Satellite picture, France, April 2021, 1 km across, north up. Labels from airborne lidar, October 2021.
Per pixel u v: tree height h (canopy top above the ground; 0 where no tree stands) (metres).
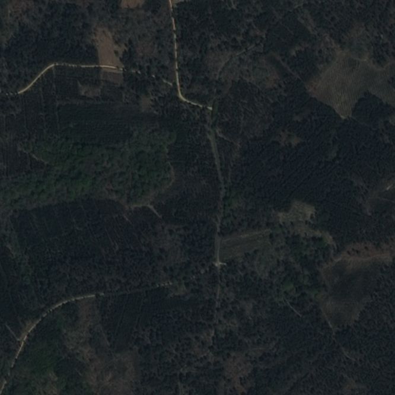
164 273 6
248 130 9
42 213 10
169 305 15
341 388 18
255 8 13
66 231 7
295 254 14
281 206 19
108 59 0
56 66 9
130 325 9
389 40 10
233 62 10
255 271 15
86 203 10
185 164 10
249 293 19
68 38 16
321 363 10
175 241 10
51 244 11
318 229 17
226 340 9
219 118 13
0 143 15
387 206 7
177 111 10
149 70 7
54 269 22
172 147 11
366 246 13
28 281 17
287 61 16
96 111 9
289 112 20
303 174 19
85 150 22
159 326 14
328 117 19
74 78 10
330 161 23
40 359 18
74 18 21
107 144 10
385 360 22
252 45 16
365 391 7
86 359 10
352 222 20
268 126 9
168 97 10
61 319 14
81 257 11
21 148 7
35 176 22
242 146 8
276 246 7
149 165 14
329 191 16
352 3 17
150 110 9
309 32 15
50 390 27
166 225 12
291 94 18
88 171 9
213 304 16
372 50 21
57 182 19
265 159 19
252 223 12
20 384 18
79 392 25
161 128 9
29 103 9
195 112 11
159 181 19
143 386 17
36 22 25
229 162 10
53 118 9
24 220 10
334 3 18
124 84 12
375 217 15
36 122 12
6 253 13
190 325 22
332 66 15
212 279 16
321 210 17
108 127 7
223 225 16
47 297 16
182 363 14
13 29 20
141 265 26
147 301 14
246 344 11
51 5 16
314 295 16
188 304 16
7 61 20
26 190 21
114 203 10
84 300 11
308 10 20
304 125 8
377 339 21
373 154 18
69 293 16
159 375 15
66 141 10
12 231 13
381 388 20
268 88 5
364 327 19
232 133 11
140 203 13
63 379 30
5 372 11
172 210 12
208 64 8
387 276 24
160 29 10
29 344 9
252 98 11
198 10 16
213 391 11
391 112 12
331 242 0
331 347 8
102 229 12
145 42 9
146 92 15
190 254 8
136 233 13
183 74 13
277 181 18
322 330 13
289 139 12
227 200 11
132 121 8
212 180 11
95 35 10
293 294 15
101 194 11
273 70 12
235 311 16
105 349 6
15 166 10
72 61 17
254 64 12
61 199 10
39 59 16
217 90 17
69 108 9
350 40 11
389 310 18
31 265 14
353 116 8
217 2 15
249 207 15
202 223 8
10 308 11
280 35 16
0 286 11
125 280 20
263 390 24
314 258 11
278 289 17
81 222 7
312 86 6
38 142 15
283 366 8
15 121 12
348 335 18
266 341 6
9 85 8
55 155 11
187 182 11
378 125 15
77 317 16
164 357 17
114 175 10
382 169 17
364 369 18
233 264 14
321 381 19
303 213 0
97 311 8
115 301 10
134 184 18
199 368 7
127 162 19
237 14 14
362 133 18
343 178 18
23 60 19
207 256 20
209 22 17
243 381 17
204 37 16
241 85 12
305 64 22
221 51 19
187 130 8
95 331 9
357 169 21
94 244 11
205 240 15
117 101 9
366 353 18
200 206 13
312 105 20
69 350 14
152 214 12
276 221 7
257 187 15
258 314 21
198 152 11
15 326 9
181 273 15
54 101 12
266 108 11
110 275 20
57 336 15
